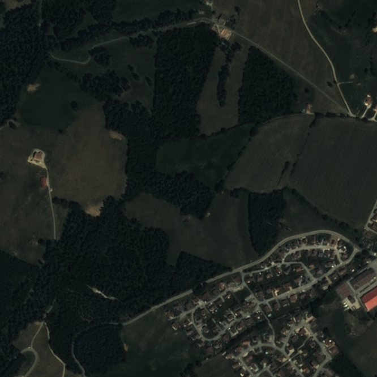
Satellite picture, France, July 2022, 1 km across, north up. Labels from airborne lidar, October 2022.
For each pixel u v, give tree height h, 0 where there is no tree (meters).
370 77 0
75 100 0
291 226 0
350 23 6
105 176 0
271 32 0
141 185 28
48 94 0
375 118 0
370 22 14
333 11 0
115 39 0
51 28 0
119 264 9
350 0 0
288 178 0
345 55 0
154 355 0
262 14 0
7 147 0
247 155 0
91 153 0
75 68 0
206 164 0
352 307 0
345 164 0
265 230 22
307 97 0
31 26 26
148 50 0
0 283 24
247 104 10
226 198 0
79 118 0
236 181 0
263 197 17
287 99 11
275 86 9
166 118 15
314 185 0
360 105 0
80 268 15
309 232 0
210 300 0
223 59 0
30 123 0
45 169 0
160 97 13
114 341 25
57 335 15
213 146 0
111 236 28
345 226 12
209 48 7
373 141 0
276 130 0
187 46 6
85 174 0
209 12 0
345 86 0
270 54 0
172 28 0
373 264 0
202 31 6
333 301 0
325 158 0
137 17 0
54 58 0
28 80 24
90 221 17
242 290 0
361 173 0
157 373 0
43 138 0
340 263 0
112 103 23
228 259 0
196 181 8
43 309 31
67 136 0
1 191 0
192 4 0
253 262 0
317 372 0
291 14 0
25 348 0
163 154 0
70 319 16
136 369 0
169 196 21
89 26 0
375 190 0
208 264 21
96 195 0
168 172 0
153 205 0
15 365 22
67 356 16
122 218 26
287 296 0
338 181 0
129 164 14
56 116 0
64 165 0
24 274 21
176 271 24
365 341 0
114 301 7
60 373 0
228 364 0
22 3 0
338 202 0
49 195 0
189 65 16
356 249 0
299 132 0
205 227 0
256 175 0
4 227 0
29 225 0
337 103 0
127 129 26
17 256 0
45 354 0
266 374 0
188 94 13
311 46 0
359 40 0
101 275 18
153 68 0
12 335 30
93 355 29
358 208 0
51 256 24
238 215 0
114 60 0
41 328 0
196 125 15
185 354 0
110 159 0
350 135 0
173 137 21
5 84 17
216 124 0
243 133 0
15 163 0
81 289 14
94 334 24
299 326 0
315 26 0
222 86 9
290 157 0
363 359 0
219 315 0
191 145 0
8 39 20
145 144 13
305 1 0
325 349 0
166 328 0
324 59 0
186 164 0
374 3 0
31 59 19
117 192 0
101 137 0
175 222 0
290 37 0
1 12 21
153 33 0
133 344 0
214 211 0
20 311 32
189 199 28
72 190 0
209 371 0
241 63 0
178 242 0
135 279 11
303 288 0
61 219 0
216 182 0
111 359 26
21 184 0
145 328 0
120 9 0
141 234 15
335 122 0
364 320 7
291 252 0
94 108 0
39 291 30
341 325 0
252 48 12
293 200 0
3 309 19
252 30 0
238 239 0
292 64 0
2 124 23
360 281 0
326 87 0
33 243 0
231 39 0
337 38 0
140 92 0
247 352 0
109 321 20
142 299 28
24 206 0
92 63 0
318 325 0
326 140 0
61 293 15
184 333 0
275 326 0
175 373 0
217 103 0
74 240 19
